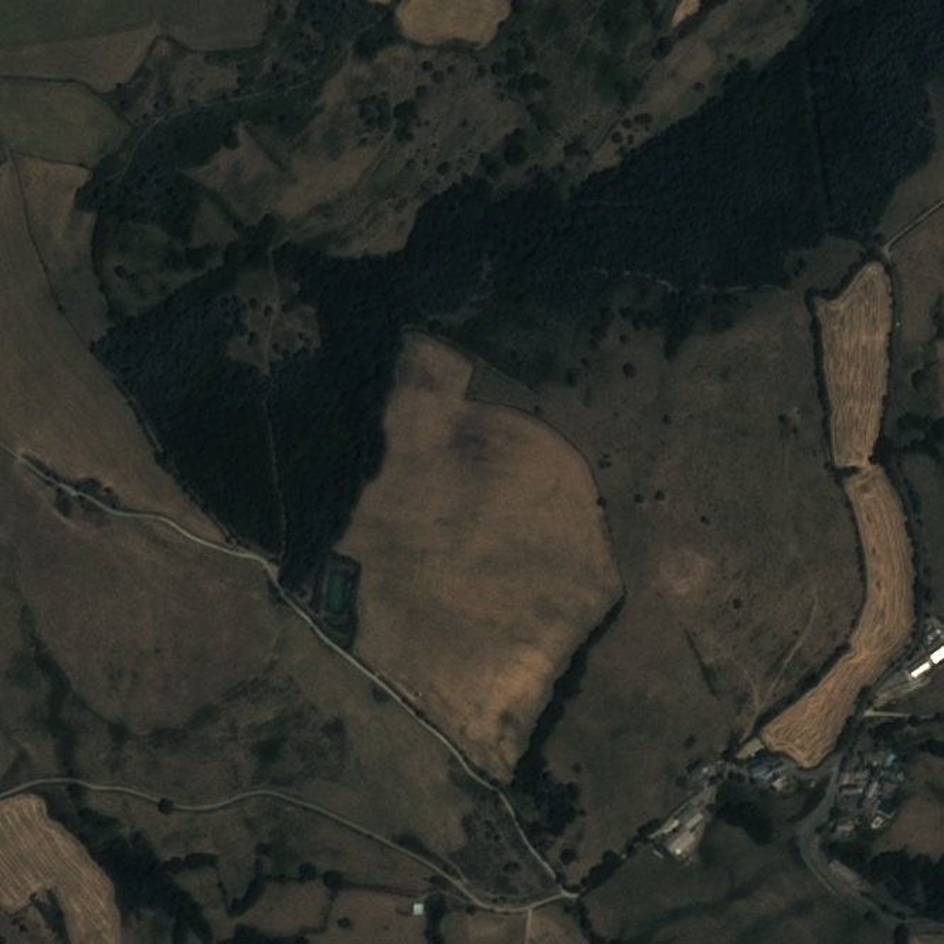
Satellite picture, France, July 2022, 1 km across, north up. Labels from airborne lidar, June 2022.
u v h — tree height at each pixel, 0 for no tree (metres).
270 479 7
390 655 0
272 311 15
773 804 0
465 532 0
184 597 0
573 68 0
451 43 0
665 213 15
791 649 0
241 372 9
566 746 0
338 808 0
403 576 0
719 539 0
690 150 19
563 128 0
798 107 18
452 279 16
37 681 0
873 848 0
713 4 20
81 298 0
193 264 8
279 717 0
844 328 0
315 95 7
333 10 9
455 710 0
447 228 22
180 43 0
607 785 0
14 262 0
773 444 0
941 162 0
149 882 14
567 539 0
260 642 0
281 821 0
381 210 0
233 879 0
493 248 9
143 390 16
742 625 0
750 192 16
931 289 0
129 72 0
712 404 0
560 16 0
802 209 15
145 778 0
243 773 0
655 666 0
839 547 0
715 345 0
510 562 0
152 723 0
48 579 0
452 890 0
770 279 6
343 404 6
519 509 0
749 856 0
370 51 13
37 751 0
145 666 0
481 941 0
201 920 16
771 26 0
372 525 0
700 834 0
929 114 14
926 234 0
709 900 0
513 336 0
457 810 0
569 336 0
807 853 0
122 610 0
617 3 0
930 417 10
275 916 0
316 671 0
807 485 0
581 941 0
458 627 0
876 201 15
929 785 0
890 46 22
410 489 0
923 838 0
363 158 0
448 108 0
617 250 12
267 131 0
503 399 0
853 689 0
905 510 7
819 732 0
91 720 0
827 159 16
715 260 13
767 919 0
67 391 0
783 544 0
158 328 15
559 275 11
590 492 0
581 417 0
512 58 15
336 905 0
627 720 0
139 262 0
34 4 0
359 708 0
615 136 9
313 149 0
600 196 13
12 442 0
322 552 10
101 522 0
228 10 0
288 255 16
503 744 0
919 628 11
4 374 0
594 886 8
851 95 13
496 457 0
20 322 0
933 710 0
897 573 0
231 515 9
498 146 0
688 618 0
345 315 15
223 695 0
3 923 0
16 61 0
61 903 0
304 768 0
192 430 11
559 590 0
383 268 25
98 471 0
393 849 0
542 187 13
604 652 0
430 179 0
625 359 0
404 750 0
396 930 0
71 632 0
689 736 0
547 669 0
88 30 0
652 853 0
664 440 0
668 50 18
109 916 0
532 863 0
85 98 0
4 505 0
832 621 0
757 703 0
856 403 0
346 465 7
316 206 0
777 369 0
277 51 0
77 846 0
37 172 0
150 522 0
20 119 0
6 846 0
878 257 10
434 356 0
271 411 9
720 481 0
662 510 0
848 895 0
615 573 0
